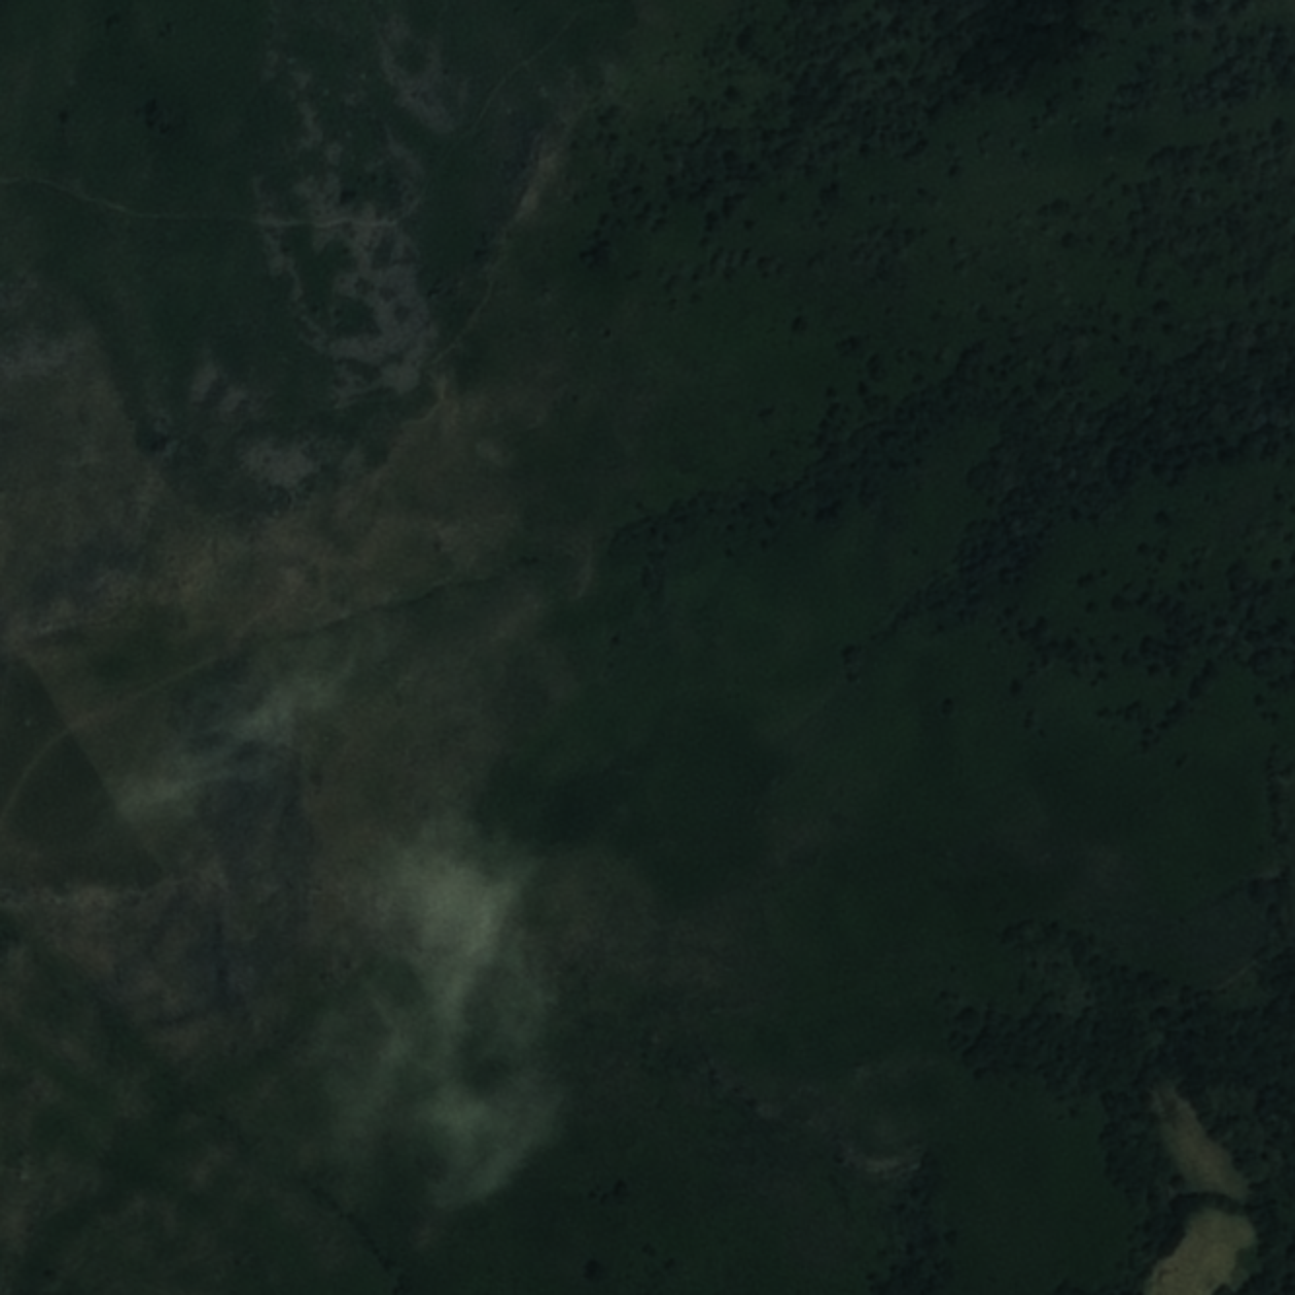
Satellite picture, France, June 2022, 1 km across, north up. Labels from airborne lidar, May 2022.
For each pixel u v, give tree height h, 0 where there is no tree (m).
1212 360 13
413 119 0
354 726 0
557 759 0
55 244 0
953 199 0
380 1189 0
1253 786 0
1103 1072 13
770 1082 0
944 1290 13
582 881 0
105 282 0
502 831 0
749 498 11
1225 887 0
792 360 0
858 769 0
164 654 0
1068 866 0
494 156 0
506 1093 0
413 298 0
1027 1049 14
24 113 0
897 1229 6
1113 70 0
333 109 0
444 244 0
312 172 0
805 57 10
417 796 0
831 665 0
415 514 0
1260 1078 27
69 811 0
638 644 0
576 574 0
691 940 0
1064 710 0
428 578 0
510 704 0
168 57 0
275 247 0
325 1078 0
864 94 8
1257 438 11
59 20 0
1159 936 0
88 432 0
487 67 0
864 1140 0
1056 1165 0
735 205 12
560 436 0
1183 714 13
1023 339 12
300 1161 0
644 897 0
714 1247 0
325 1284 0
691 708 0
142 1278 0
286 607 0
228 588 0
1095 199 7
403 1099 0
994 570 9
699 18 0
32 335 0
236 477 0
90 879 0
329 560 0
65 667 0
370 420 0
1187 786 0
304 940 0
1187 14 9
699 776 0
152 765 0
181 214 0
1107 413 7
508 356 0
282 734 0
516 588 0
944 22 19
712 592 0
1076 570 0
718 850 0
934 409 11
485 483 0
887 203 10
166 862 0
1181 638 14
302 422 0
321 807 0
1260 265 7
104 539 0
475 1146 0
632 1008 0
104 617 0
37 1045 0
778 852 0
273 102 0
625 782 0
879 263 9
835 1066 0
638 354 0
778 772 0
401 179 0
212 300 0
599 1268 15
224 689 0
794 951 0
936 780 0
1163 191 12
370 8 0
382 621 0
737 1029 0
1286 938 8
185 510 0
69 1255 0
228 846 0
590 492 0
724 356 0
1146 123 0
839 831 0
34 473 0
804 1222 0
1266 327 11
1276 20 0
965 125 0
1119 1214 0
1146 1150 18
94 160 0
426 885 0
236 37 0
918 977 0
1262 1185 13
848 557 0
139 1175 0
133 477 0
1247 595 8
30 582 0
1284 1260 10
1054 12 18
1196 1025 19
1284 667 0
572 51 0
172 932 0
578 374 0
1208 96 10
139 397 0
